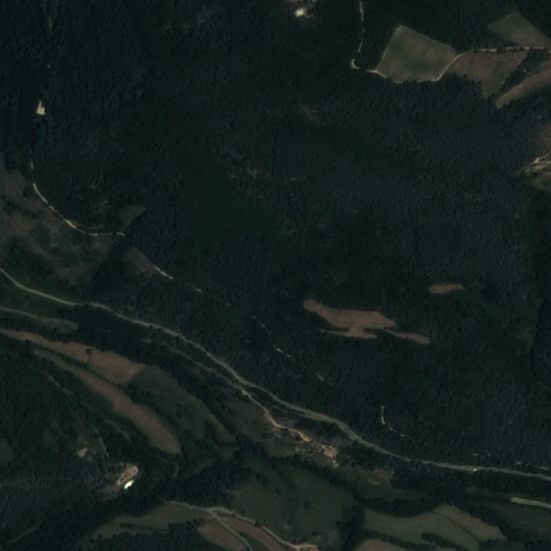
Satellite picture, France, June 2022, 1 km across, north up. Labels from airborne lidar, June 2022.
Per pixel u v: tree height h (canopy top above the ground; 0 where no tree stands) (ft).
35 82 25
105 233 28
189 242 46
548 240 21
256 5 22
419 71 0
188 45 59
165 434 0
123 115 31
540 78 0
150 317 26
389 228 45
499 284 47
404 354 30
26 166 50
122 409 0
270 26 26
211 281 26
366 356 60
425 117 31
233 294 29
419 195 53
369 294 25
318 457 0
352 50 36
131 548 41
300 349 26
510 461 47
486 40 58
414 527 0
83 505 59
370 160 42
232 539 0
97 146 32
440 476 24
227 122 42
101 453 36
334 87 34
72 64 45
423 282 37
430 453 59
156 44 66
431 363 19
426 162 43
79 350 0
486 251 52
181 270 35
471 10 78
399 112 51
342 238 34
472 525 0
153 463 50
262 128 34
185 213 32
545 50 29
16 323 91
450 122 45
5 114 22
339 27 26
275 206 41
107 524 38
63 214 33
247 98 37
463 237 59
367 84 33
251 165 19
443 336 25
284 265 48
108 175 55
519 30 0
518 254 52
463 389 18
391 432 31
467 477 37
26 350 58
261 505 0
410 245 40
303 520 0
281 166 66
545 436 65
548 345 38
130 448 50
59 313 21
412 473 44
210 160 37
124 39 57
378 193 57
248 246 62
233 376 23
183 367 68
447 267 56
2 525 59
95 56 53
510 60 0
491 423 42
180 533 47
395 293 56
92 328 69
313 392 57
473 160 42
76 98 43
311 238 21
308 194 29
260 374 37
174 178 47
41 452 62
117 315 28
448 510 0
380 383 52
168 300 20
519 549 0
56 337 66
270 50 42
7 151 61
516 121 47
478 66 0
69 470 53
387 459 46
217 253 40
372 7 32
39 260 21
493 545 46
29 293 0
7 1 71
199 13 26
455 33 62
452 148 49
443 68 0
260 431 0
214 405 56
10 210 28
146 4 71
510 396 57
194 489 91
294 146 68
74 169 37
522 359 59
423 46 0
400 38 0
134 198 65
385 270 34
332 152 57
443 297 44
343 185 58
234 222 44
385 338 24
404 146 44
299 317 30
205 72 42
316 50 35
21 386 53
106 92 41
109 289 54
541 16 20
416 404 33
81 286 27
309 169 65
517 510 0
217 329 33
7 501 47
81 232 32
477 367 28
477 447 50
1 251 0
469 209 48
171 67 64
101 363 0
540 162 0
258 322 41
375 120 49
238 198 26
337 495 0
